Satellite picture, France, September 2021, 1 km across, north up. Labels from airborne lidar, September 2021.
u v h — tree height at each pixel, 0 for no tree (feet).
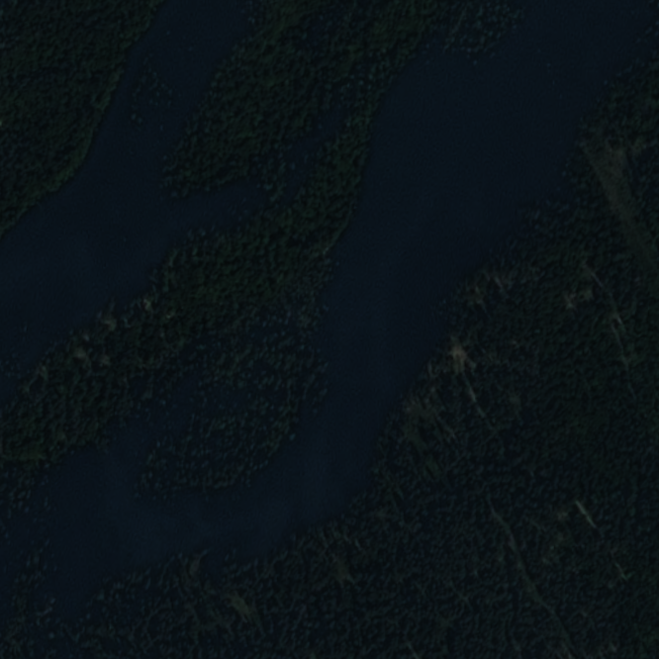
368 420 47
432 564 95
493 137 112
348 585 41
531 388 107
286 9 40
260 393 41
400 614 84
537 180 82
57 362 41
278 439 93
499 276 102
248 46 74
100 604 38
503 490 93
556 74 55
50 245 39
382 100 82
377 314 0
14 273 0
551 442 104
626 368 47
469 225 41
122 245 60
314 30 84
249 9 107
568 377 82
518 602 100
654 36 125
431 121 72
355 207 63
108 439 37
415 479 97
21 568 25
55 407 82
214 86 76
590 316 63
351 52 60
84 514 48
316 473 0
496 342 95
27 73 80
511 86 100
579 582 77
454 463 110
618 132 72
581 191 75
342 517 31
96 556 66
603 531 90
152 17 79
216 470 93
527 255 89
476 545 76
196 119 87
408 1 94
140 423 60
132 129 34
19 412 68
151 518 0
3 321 27
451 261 70
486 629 90
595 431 63
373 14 105
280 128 109
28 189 81
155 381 36
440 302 80
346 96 83
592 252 73
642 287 70
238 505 53
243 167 116
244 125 107
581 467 108
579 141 46
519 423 101
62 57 29
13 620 94
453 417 38
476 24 106
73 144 83
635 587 68
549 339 101
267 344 100
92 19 127
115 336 44
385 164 31
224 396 37
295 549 79
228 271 70
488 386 105
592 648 77
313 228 104
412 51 77
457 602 109
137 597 23
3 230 71
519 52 39
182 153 68
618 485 48
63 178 63
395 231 32
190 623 105
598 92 71
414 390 83
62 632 26
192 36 38
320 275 78
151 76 112
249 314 94
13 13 39
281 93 97
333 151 51
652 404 60
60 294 34
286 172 62
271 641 19
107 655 76
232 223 53
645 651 51
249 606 104
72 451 41
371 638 36
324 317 29
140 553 0
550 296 85
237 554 30
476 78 72
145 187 67
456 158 35
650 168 70
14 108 54
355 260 24
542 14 57
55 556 56
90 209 49
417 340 86
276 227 73
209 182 80
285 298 19
